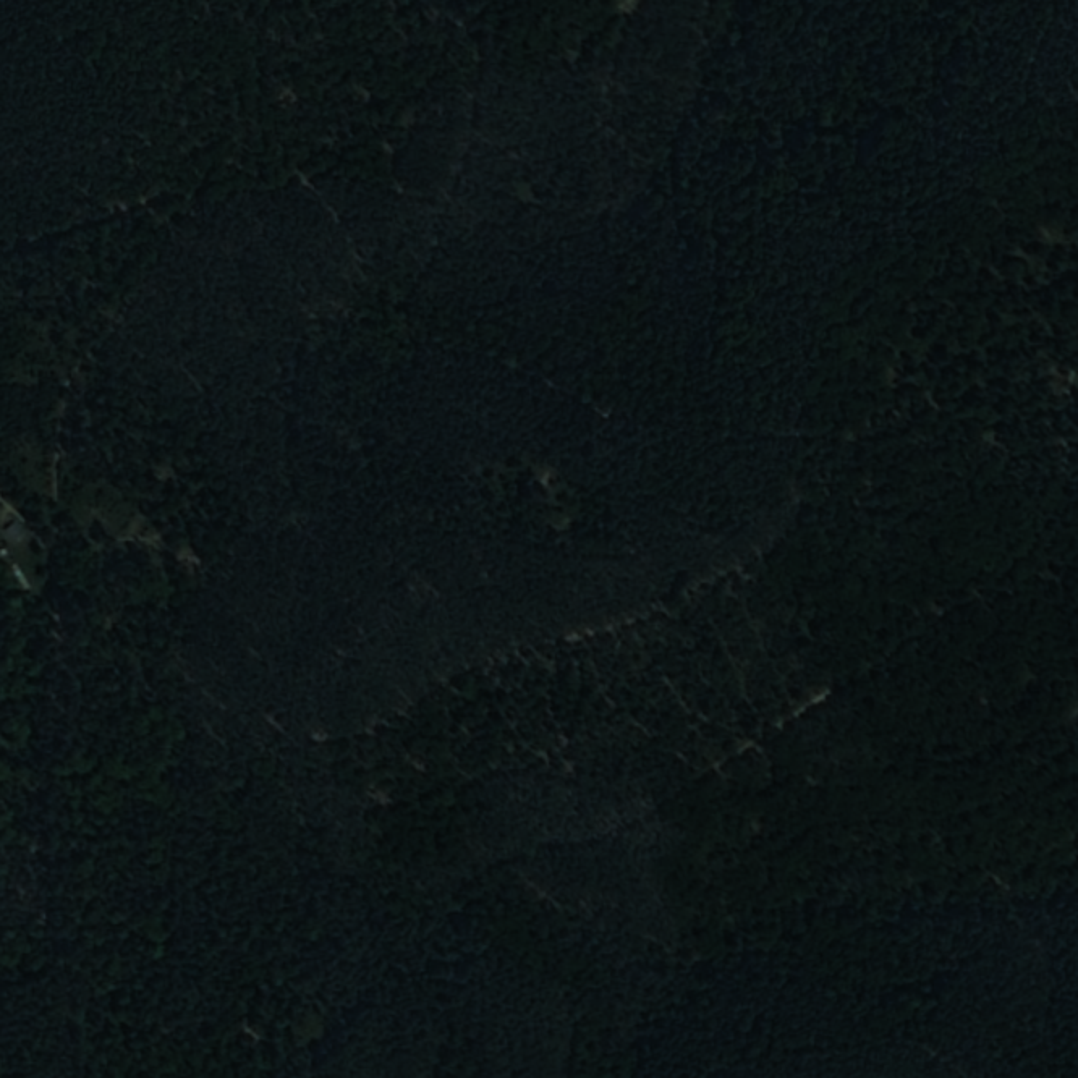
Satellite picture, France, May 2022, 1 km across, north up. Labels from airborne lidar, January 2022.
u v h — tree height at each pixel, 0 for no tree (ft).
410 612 67
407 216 67
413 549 69
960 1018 82
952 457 71
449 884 87
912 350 67
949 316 69
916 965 88
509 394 89
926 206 79
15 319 20
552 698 66
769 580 63
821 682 25
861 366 41
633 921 74
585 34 48
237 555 78
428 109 49
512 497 23
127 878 106
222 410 64
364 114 70
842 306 59
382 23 76
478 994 81
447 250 68
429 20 104
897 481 68
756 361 83
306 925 86
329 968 100
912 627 82
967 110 78
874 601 81
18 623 109
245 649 71
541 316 73
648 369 73
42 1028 91
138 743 94
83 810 128
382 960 70
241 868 91
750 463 69
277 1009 66
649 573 62
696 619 37
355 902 94
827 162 91
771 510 69
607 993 73
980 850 76
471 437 94
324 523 77
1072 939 63
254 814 99
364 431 72
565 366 79
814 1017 81
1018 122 54
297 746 80
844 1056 77
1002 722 72
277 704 85
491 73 65
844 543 79
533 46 68
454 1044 79
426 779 55
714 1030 68
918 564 66
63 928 140
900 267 83
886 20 105
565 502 23
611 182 95
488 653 60
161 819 102
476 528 55
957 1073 86
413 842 53
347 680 58
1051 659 71
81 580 92
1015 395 79
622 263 81
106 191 57
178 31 66
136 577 93
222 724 74
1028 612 81
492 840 87
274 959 83
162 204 52
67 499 21
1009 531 68
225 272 75
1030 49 70
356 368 88
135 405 63
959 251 49
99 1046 72
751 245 81
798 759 47
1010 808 67
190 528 67
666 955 90
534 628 70
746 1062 100
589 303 75
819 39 96
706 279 90
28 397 23
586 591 69
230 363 72
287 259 84
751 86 99
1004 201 53
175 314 59
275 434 45
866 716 65
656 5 62
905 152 87
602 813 90
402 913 84
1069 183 74
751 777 61
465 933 100
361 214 76
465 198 82
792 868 54
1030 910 81
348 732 56
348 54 77
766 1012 72
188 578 81
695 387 84
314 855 108
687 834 65
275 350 87
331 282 82
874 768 58
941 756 75
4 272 95
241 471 59
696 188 103
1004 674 71
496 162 91
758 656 20
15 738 111
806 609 71
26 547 0
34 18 80
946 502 70
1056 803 71
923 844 54
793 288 79
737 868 35
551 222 110
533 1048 97
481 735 72
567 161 84
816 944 90
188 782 106
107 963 98
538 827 86
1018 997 80
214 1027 73
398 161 52
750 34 100
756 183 94
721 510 47
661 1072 100
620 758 64
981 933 105
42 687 115
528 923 103
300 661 85
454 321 83
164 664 108
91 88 64
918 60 73
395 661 53
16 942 116
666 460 71
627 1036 89
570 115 78
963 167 77
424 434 93
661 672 26
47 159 65
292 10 64
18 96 66
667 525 84
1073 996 71
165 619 73
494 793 84
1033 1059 82
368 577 63
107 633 81
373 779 52
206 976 89
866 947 76
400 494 82
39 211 80
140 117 56
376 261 54
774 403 78
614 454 94
